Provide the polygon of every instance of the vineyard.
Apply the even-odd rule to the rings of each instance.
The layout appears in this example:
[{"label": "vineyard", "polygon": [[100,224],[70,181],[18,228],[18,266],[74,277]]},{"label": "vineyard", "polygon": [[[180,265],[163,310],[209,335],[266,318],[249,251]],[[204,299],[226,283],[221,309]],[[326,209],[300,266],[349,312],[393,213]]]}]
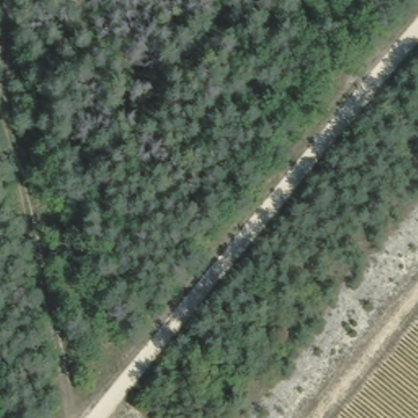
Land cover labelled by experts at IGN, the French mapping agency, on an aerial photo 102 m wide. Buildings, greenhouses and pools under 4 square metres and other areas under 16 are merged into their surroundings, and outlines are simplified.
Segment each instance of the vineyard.
[{"label": "vineyard", "polygon": [[397,330],[385,340],[384,346],[377,351],[361,376],[349,385],[345,397],[340,398],[323,418],[418,418],[418,302],[407,315],[403,315]]}]

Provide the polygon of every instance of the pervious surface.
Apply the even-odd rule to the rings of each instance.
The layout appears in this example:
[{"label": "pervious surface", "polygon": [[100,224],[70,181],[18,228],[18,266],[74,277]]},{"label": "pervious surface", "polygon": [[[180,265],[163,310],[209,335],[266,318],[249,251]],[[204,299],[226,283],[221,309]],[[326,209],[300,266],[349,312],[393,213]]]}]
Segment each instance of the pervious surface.
[{"label": "pervious surface", "polygon": [[407,315],[418,302],[418,282],[403,299],[389,322],[385,323],[379,335],[372,340],[371,346],[362,353],[358,362],[346,372],[346,376],[341,377],[330,394],[320,400],[310,418],[323,418],[340,398],[345,397],[349,385],[361,376],[377,351],[384,346],[385,340],[397,330],[403,315]]},{"label": "pervious surface", "polygon": [[380,73],[390,64],[397,64],[398,60],[410,51],[411,44],[418,39],[418,15],[413,20],[402,34],[398,31],[392,33],[392,38],[377,52],[377,57],[371,59],[367,60],[367,65],[371,67],[371,75],[362,75],[358,78],[349,85],[348,93],[343,95],[340,101],[336,101],[333,111],[330,118],[318,122],[317,129],[310,131],[307,139],[310,149],[304,150],[304,162],[289,163],[287,170],[281,171],[282,178],[278,186],[269,189],[263,207],[256,209],[255,214],[243,224],[238,222],[229,225],[219,243],[206,269],[193,278],[188,287],[183,287],[180,294],[168,302],[170,310],[162,312],[162,318],[153,322],[153,330],[150,331],[152,341],[140,349],[124,367],[118,379],[114,380],[108,392],[100,398],[100,402],[96,403],[93,410],[88,411],[85,418],[108,418],[118,407],[118,403],[124,400],[127,390],[136,384],[136,379],[131,377],[131,374],[136,371],[139,362],[155,358],[155,354],[162,346],[168,349],[176,346],[176,341],[181,336],[191,340],[193,336],[201,335],[198,323],[202,320],[204,302],[202,287],[211,287],[214,282],[224,278],[233,258],[240,256],[248,243],[255,240],[256,233],[265,227],[266,220],[273,217],[274,206],[286,198],[291,186],[300,176],[312,170],[315,163],[313,157],[322,149],[327,132],[335,127],[336,122],[354,116],[361,106],[369,103],[372,93],[380,85]]}]

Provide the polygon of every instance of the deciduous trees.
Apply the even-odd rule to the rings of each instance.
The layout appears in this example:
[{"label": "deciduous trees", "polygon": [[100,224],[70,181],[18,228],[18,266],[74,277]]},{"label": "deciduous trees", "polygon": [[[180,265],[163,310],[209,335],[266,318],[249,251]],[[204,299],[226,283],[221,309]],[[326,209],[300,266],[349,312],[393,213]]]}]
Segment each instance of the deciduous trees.
[{"label": "deciduous trees", "polygon": [[65,199],[59,198],[57,185],[67,183],[67,171],[64,170],[65,158],[60,158],[57,153],[47,158],[47,162],[39,170],[34,170],[31,178],[26,178],[21,183],[16,181],[15,185],[8,186],[3,202],[3,206],[7,206],[8,209],[16,206],[16,191],[24,186],[28,189],[29,196],[38,198],[42,204],[46,204],[46,212],[57,212],[60,217],[52,225],[51,229],[54,230],[47,235],[46,245],[36,243],[33,247],[38,273],[57,278],[51,287],[54,291],[60,291],[60,296],[65,299],[62,307],[36,320],[36,327],[46,330],[47,341],[42,341],[41,345],[49,354],[49,382],[52,385],[57,384],[60,372],[60,354],[65,353],[62,338],[67,335],[69,323],[73,318],[83,317],[80,299],[90,299],[91,294],[104,289],[108,281],[108,276],[103,276],[100,271],[93,273],[90,268],[82,266],[82,258],[88,250],[80,250],[73,245],[75,237],[93,225],[91,220],[85,220],[90,214],[90,209],[87,199],[73,199],[70,196]]},{"label": "deciduous trees", "polygon": [[379,13],[389,10],[390,3],[394,0],[263,0],[260,3],[260,10],[250,16],[247,28],[233,26],[225,29],[225,36],[233,36],[237,44],[230,51],[227,60],[220,62],[220,67],[229,67],[229,73],[222,82],[217,82],[217,87],[220,87],[220,95],[224,96],[225,108],[232,104],[235,104],[237,111],[265,108],[268,122],[276,121],[278,116],[286,118],[287,114],[291,114],[294,116],[296,127],[291,136],[287,136],[282,129],[276,129],[271,140],[261,145],[253,160],[255,175],[250,176],[248,188],[240,191],[242,199],[237,202],[224,202],[220,206],[220,217],[212,233],[207,237],[196,238],[189,245],[191,250],[202,253],[207,245],[219,243],[229,225],[238,222],[243,224],[255,214],[256,209],[263,207],[269,189],[278,186],[282,178],[281,171],[287,170],[289,163],[286,158],[287,150],[291,150],[296,142],[304,142],[307,139],[310,131],[317,129],[318,122],[330,118],[333,111],[323,100],[328,95],[333,95],[338,77],[346,73],[358,78],[362,75],[371,75],[371,67],[367,65],[367,60],[371,59],[374,52],[372,31],[382,24],[379,21]]},{"label": "deciduous trees", "polygon": [[78,356],[80,362],[75,380],[70,382],[72,387],[80,385],[85,392],[93,392],[98,376],[106,367],[103,362],[106,353],[101,345],[104,341],[116,343],[124,340],[124,333],[119,327],[121,318],[109,317],[106,312],[96,312],[95,318],[88,318],[90,328],[72,340],[72,345],[80,348],[82,354]]},{"label": "deciduous trees", "polygon": [[0,387],[8,384],[10,372],[18,369],[23,359],[15,358],[0,367]]},{"label": "deciduous trees", "polygon": [[193,353],[189,353],[191,390],[196,395],[212,395],[217,407],[227,415],[233,408],[233,389],[248,385],[253,380],[247,376],[250,372],[248,364],[240,369],[233,366],[240,348],[233,341],[229,346],[229,353],[224,354],[219,348],[211,346],[209,351],[201,353],[201,348],[196,345]]}]

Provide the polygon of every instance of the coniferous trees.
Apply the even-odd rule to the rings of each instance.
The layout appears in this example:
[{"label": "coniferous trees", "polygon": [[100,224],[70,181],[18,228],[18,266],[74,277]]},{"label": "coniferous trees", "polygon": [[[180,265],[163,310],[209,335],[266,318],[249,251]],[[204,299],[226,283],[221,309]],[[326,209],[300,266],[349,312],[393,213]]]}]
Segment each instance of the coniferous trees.
[{"label": "coniferous trees", "polygon": [[413,20],[418,15],[418,0],[394,0],[390,3],[389,10],[379,13],[379,21],[382,24],[382,28],[389,28],[395,20],[403,23],[403,18],[407,16]]},{"label": "coniferous trees", "polygon": [[83,317],[73,318],[69,323],[67,335],[62,338],[65,353],[60,354],[60,372],[67,374],[70,382],[75,380],[80,362],[78,356],[82,354],[80,348],[72,345],[72,340],[90,328],[88,318],[95,318],[96,312],[106,312],[109,317],[121,318],[119,327],[124,333],[131,330],[132,312],[136,312],[139,307],[157,310],[155,300],[162,289],[163,279],[175,276],[176,266],[180,266],[180,260],[188,258],[191,250],[189,245],[196,238],[207,237],[212,233],[220,217],[220,206],[224,202],[237,202],[242,199],[240,191],[248,188],[250,176],[255,175],[253,160],[261,145],[271,140],[276,129],[282,129],[287,136],[291,136],[296,127],[294,116],[291,114],[287,114],[286,118],[278,116],[276,121],[268,122],[265,108],[237,111],[235,104],[232,104],[225,108],[224,96],[220,95],[220,87],[217,87],[217,82],[222,82],[229,73],[229,67],[220,67],[220,62],[227,60],[230,51],[237,44],[233,36],[225,36],[225,29],[233,26],[247,28],[250,16],[260,10],[260,3],[263,0],[0,0],[0,367],[15,358],[23,359],[18,369],[10,372],[8,384],[0,387],[0,418],[41,418],[41,413],[47,410],[42,405],[46,402],[47,395],[52,392],[52,385],[49,382],[49,354],[41,345],[42,341],[47,341],[46,330],[36,327],[36,320],[62,307],[65,299],[60,296],[60,291],[54,291],[51,287],[57,278],[38,273],[33,247],[36,243],[46,245],[47,235],[54,230],[51,229],[52,225],[60,217],[57,212],[46,212],[46,204],[42,204],[38,198],[29,196],[28,189],[24,186],[16,191],[16,206],[8,209],[7,206],[3,206],[3,202],[8,186],[15,185],[16,181],[21,183],[26,178],[31,178],[34,170],[39,170],[47,162],[47,158],[57,153],[60,158],[65,158],[64,170],[67,171],[67,183],[57,185],[59,198],[65,199],[70,196],[73,199],[87,199],[90,209],[90,214],[85,220],[91,220],[93,225],[75,237],[73,245],[80,250],[88,250],[82,258],[82,266],[90,268],[93,273],[100,271],[103,276],[108,276],[108,281],[104,289],[91,294],[90,299],[80,299]]},{"label": "coniferous trees", "polygon": [[[305,349],[310,338],[322,333],[325,327],[325,310],[328,307],[335,309],[341,289],[354,289],[359,286],[362,274],[369,268],[366,256],[384,247],[387,238],[394,235],[395,230],[400,227],[400,222],[410,217],[413,206],[418,202],[418,59],[413,60],[413,67],[408,67],[400,73],[397,85],[385,93],[385,103],[380,104],[376,114],[372,118],[364,116],[358,122],[358,126],[354,127],[356,142],[348,142],[341,145],[340,149],[333,150],[330,160],[322,165],[322,175],[310,178],[309,186],[300,198],[300,204],[292,207],[294,220],[282,217],[281,225],[273,237],[265,238],[263,245],[253,250],[253,255],[260,258],[260,265],[253,266],[253,263],[247,263],[247,266],[230,281],[229,286],[225,286],[217,294],[216,299],[204,302],[202,320],[198,323],[201,335],[193,336],[191,340],[181,336],[176,341],[176,346],[168,349],[162,364],[157,366],[157,379],[153,380],[152,387],[147,387],[144,394],[140,395],[134,407],[142,411],[147,418],[261,418],[268,410],[261,405],[261,400],[271,397],[278,382],[292,376],[300,351]],[[233,389],[233,408],[227,415],[217,407],[212,395],[196,395],[191,390],[189,353],[193,353],[196,345],[201,348],[201,353],[209,351],[211,346],[219,348],[224,354],[229,353],[229,346],[233,341],[240,348],[233,366],[240,369],[248,364],[250,372],[247,376],[253,380],[248,385]]]}]

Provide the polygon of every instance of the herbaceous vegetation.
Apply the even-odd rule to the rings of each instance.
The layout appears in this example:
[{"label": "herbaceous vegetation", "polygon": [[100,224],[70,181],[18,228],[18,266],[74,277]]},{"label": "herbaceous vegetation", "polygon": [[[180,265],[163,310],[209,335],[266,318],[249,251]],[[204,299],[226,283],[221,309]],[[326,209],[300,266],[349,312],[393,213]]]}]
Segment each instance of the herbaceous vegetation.
[{"label": "herbaceous vegetation", "polygon": [[328,95],[323,100],[333,111],[336,101],[340,101],[343,95],[348,93],[349,85],[358,78],[346,73],[338,77],[333,95]]},{"label": "herbaceous vegetation", "polygon": [[395,20],[389,28],[382,28],[382,24],[372,31],[374,52],[371,59],[377,57],[377,52],[392,38],[392,33],[398,31],[402,34],[413,20],[407,16],[403,18],[403,23]]},{"label": "herbaceous vegetation", "polygon": [[366,256],[369,268],[362,274],[359,286],[354,289],[341,289],[335,309],[328,307],[325,310],[325,327],[322,333],[310,338],[305,349],[300,351],[292,376],[278,382],[271,397],[261,400],[261,405],[268,410],[261,418],[310,418],[320,400],[330,394],[341,377],[346,376],[346,372],[358,362],[362,353],[371,346],[372,340],[379,335],[385,323],[389,322],[403,299],[418,282],[418,202],[413,206],[410,217],[400,222],[400,227],[395,230],[394,235],[387,238],[384,247]]},{"label": "herbaceous vegetation", "polygon": [[310,149],[307,139],[304,142],[296,142],[291,150],[287,150],[286,158],[289,163],[304,162],[304,150]]},{"label": "herbaceous vegetation", "polygon": [[180,266],[176,266],[175,276],[163,279],[162,289],[155,300],[157,310],[139,307],[136,312],[132,312],[131,330],[124,333],[124,340],[116,343],[104,341],[101,345],[106,353],[103,362],[106,367],[98,376],[93,392],[85,392],[80,385],[72,387],[70,382],[67,374],[60,372],[57,384],[52,385],[52,392],[47,395],[46,402],[42,405],[47,410],[41,413],[41,418],[85,418],[88,411],[93,410],[96,403],[100,402],[100,398],[108,392],[114,380],[118,379],[124,367],[140,349],[152,341],[150,331],[153,330],[153,322],[162,318],[162,312],[170,310],[168,302],[180,294],[183,287],[188,287],[193,278],[206,269],[219,243],[207,245],[202,253],[191,250],[188,258],[180,260]]},{"label": "herbaceous vegetation", "polygon": [[216,299],[217,294],[225,286],[229,286],[230,281],[247,266],[247,263],[253,263],[253,266],[260,265],[260,258],[253,255],[253,250],[263,245],[265,238],[273,237],[281,225],[282,217],[294,220],[292,207],[300,204],[300,198],[309,186],[310,178],[322,175],[322,165],[330,160],[333,150],[340,149],[341,145],[348,142],[356,142],[354,127],[358,126],[358,122],[364,116],[372,118],[376,114],[380,104],[385,103],[385,93],[397,85],[400,73],[408,67],[413,67],[413,60],[418,59],[418,39],[411,44],[410,51],[398,60],[397,64],[390,64],[380,73],[380,85],[372,93],[369,103],[361,106],[354,116],[336,122],[335,127],[327,132],[322,149],[313,157],[315,163],[312,170],[300,176],[291,186],[286,198],[274,206],[273,217],[266,220],[265,227],[256,233],[255,240],[248,243],[240,256],[233,258],[224,278],[214,282],[211,287],[202,287],[204,302]]},{"label": "herbaceous vegetation", "polygon": [[134,407],[140,395],[144,394],[147,387],[152,387],[153,380],[157,379],[157,366],[162,364],[168,349],[162,346],[155,354],[155,358],[139,362],[136,371],[131,374],[131,377],[136,379],[136,384],[127,390],[124,400],[118,403],[118,407],[108,418],[147,418],[142,411]]}]

